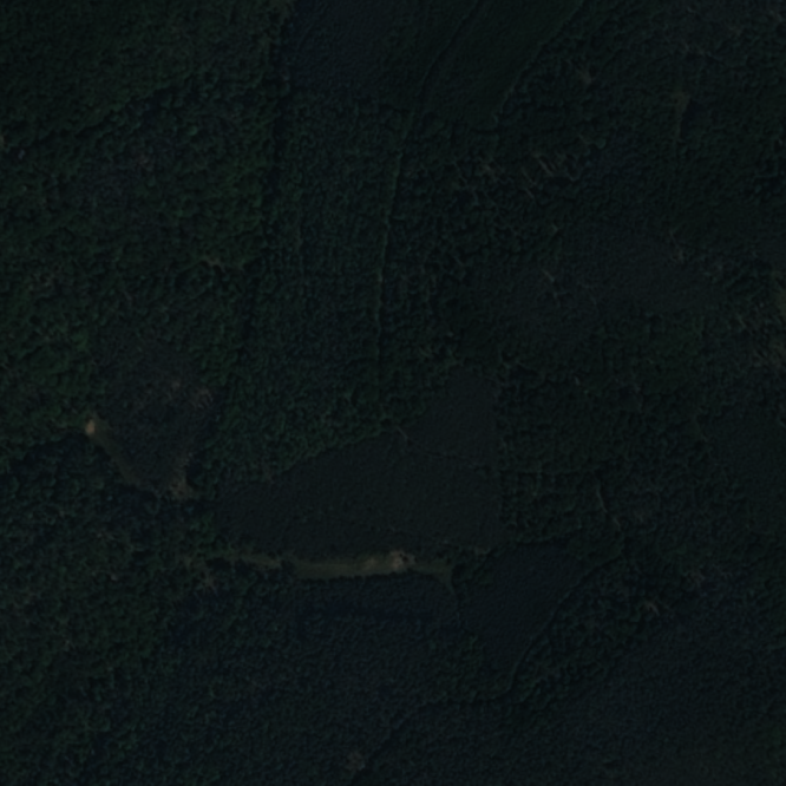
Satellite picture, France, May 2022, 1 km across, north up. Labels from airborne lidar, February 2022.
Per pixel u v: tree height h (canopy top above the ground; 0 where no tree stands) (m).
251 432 27
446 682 30
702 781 20
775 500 20
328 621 28
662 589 26
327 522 14
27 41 26
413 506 15
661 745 23
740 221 16
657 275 18
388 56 13
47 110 31
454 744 25
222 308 29
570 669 19
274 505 13
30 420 29
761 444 17
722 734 20
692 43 21
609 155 27
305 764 24
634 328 20
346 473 12
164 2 25
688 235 9
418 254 25
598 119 28
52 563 17
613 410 26
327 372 27
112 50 25
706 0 21
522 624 16
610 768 21
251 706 30
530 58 13
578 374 22
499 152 23
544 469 27
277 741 25
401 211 26
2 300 30
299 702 27
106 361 27
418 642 24
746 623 24
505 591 16
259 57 32
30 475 34
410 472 13
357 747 24
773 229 19
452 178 20
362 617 27
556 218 22
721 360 20
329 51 20
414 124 19
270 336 34
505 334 19
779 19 26
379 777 13
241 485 13
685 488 27
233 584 29
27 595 32
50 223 31
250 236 15
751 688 29
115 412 28
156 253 31
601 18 20
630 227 15
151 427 24
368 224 27
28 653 28
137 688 31
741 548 22
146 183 27
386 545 12
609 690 26
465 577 17
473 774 27
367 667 25
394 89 14
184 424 25
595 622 24
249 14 29
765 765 22
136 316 23
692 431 25
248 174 38
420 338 18
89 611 28
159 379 25
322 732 26
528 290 20
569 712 24
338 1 20
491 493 10
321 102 28
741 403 17
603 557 23
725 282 13
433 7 15
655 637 24
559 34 16
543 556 14
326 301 27
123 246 31
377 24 16
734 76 24
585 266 21
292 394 27
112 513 35
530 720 20
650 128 23
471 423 12
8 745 33
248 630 23
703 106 19
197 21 22
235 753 21
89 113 29
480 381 12
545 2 11
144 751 29
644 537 22
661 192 22
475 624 15
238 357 25
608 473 22
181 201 27
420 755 25
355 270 27
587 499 28
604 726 23
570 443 23
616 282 21
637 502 24
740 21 25
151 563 25
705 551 23
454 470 13
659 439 24
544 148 25
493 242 24
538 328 21
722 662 26
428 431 13
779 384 26
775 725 22
